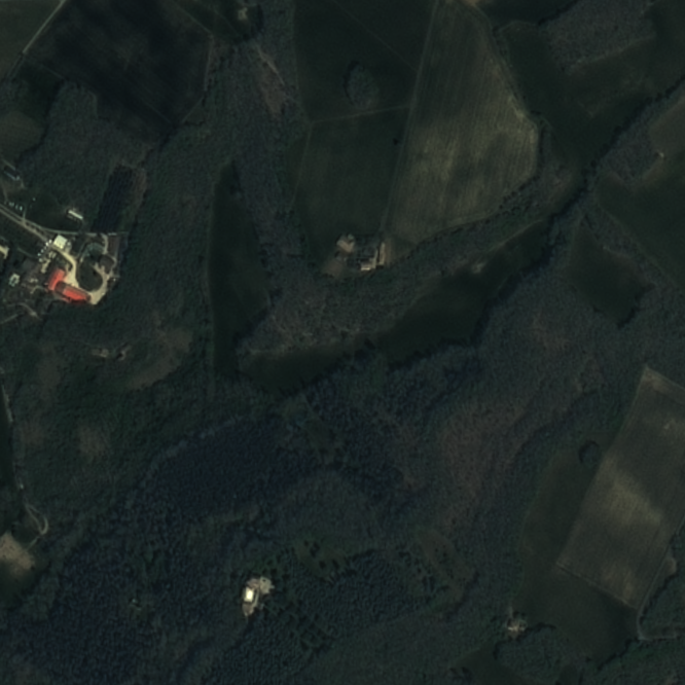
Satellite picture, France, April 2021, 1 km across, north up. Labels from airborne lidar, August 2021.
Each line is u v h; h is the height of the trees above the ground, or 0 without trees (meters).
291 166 0
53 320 14
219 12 0
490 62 0
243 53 17
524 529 8
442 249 17
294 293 16
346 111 0
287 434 20
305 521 21
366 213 0
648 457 0
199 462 20
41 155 15
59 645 19
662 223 0
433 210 0
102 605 22
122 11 0
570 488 0
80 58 0
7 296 0
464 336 0
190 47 0
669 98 12
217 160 24
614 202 0
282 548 16
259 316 0
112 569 20
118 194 9
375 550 15
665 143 0
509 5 0
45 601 26
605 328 19
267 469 22
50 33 0
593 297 0
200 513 20
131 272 14
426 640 17
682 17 0
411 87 0
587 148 0
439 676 17
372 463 18
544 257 0
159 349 8
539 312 9
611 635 0
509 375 20
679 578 14
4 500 18
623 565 0
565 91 0
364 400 24
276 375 0
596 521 0
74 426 6
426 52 0
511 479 9
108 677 22
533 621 0
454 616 14
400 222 0
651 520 0
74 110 17
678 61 0
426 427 10
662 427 0
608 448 0
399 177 0
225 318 0
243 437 22
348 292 15
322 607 20
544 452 17
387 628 19
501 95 0
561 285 18
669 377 10
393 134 0
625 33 15
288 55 18
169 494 18
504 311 23
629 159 15
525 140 0
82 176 13
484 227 15
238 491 22
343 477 22
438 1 0
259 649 20
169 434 6
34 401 8
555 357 14
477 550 17
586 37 16
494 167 0
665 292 13
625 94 0
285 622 15
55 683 19
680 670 22
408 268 18
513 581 19
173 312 21
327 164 0
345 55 0
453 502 9
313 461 21
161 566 12
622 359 18
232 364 0
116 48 0
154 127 0
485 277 0
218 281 0
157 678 6
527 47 0
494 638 10
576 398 13
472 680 16
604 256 0
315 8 0
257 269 0
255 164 21
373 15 0
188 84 0
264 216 25
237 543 18
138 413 17
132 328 11
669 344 15
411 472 12
